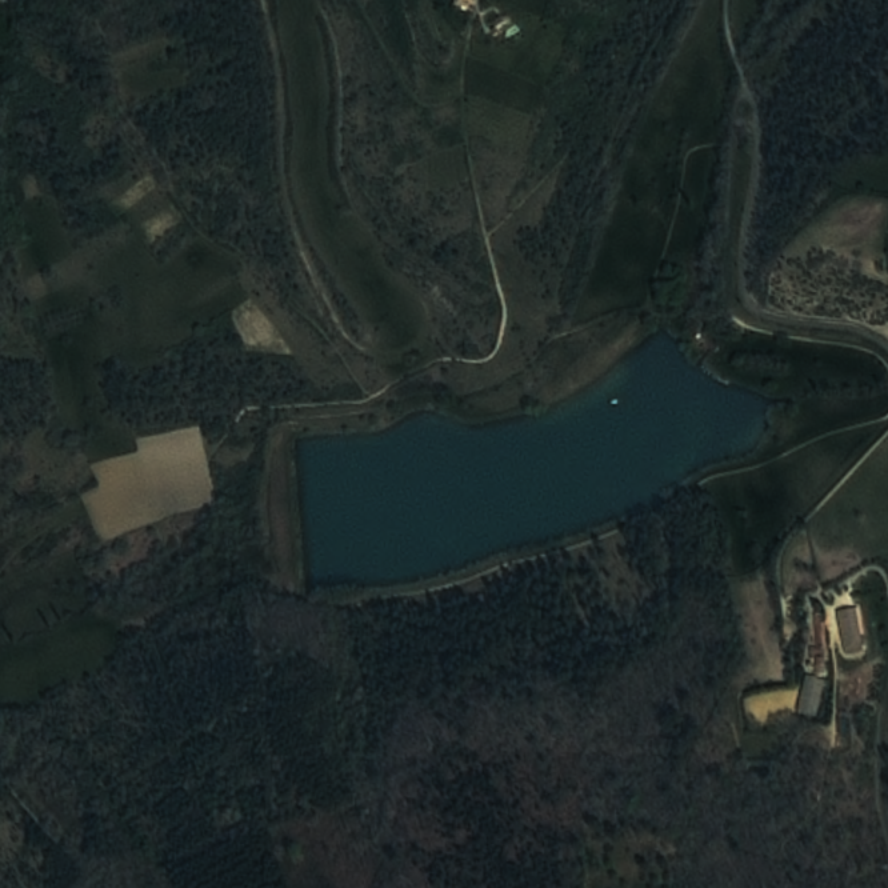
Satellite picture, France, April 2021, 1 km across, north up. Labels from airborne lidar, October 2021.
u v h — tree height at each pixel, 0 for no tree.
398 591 0
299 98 0
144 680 9
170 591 9
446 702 14
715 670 24
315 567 0
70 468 0
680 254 0
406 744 14
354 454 0
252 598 18
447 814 10
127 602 21
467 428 0
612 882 10
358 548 0
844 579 8
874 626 0
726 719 16
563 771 6
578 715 24
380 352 0
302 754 23
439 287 0
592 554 0
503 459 0
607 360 0
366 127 0
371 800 22
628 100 10
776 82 7
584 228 12
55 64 6
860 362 0
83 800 11
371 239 0
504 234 0
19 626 0
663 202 6
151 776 12
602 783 10
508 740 12
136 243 0
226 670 11
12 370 17
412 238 6
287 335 0
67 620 9
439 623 18
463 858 8
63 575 0
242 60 16
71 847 15
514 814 7
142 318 0
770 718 0
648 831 23
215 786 19
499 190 0
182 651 10
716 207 19
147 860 19
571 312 13
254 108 14
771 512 0
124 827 6
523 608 24
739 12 0
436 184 0
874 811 11
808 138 7
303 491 0
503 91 0
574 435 0
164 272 0
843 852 20
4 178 19
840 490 0
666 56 12
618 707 17
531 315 0
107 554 9
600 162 14
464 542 0
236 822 14
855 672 0
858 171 0
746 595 0
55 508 7
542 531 0
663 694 18
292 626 15
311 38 0
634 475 0
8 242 16
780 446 10
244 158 11
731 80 7
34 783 11
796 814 18
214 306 0
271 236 13
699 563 23
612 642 17
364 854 23
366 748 12
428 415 0
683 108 0
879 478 0
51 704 9
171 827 17
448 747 12
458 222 0
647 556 22
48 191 12
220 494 5
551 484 0
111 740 7
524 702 22
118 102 12
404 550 0
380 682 22
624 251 0
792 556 0
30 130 13
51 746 14
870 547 0
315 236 0
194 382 12
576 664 19
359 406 0
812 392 8
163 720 12
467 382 0
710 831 15
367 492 0
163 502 0
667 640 14
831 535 0
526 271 0
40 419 11
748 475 0
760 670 0
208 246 0
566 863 7
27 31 20
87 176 16
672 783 20
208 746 12
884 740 0
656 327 11
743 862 14
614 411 0
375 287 0
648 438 0
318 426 0
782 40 9
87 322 6
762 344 0
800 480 0
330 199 0
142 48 14
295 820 12
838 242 0
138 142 13
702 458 0
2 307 18
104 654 0
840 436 0
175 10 15
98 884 17
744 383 0
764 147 7
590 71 14
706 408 0
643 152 0
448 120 0
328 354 8
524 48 0
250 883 22
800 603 7
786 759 14
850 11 12
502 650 27
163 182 14
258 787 14
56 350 0
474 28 7
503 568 0
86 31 16
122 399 15
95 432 9
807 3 13
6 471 20
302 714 22
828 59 11
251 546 10
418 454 0
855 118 8
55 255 0
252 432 7
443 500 0
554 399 0
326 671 17
